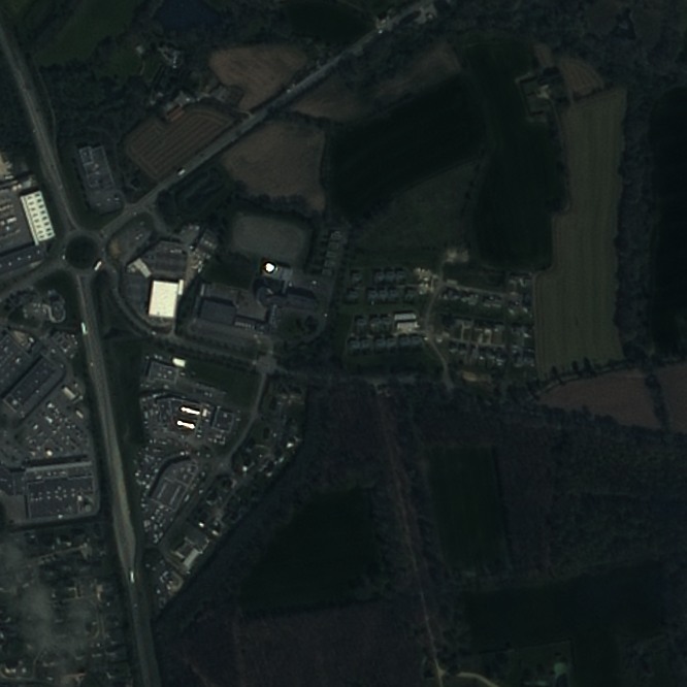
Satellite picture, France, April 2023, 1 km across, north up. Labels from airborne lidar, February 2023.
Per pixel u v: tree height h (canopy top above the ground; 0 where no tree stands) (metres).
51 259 0
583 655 0
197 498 0
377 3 0
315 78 0
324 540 0
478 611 0
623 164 14
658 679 0
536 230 0
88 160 0
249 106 0
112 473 0
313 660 14
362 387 13
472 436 21
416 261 0
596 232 0
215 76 0
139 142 0
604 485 19
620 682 0
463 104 0
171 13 0
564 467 20
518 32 19
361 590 25
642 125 20
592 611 0
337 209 0
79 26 0
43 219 0
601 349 0
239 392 0
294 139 0
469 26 16
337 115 0
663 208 0
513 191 0
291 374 26
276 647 13
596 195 0
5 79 7
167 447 0
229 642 21
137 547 0
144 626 0
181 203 13
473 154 0
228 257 10
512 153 0
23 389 0
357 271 0
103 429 0
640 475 21
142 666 0
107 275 8
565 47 30
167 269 0
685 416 0
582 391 0
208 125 0
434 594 12
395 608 16
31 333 0
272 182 0
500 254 0
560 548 36
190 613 11
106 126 11
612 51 19
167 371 0
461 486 0
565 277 0
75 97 30
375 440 21
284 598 0
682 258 0
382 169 0
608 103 0
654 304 0
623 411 0
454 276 0
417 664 16
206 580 10
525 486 23
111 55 8
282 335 0
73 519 0
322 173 8
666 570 16
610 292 0
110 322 0
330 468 20
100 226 0
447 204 0
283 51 0
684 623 18
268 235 0
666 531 21
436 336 0
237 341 0
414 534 15
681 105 0
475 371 0
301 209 15
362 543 0
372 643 15
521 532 23
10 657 0
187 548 0
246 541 13
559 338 0
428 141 0
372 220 13
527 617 0
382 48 14
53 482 0
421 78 0
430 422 22
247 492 0
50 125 8
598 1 0
